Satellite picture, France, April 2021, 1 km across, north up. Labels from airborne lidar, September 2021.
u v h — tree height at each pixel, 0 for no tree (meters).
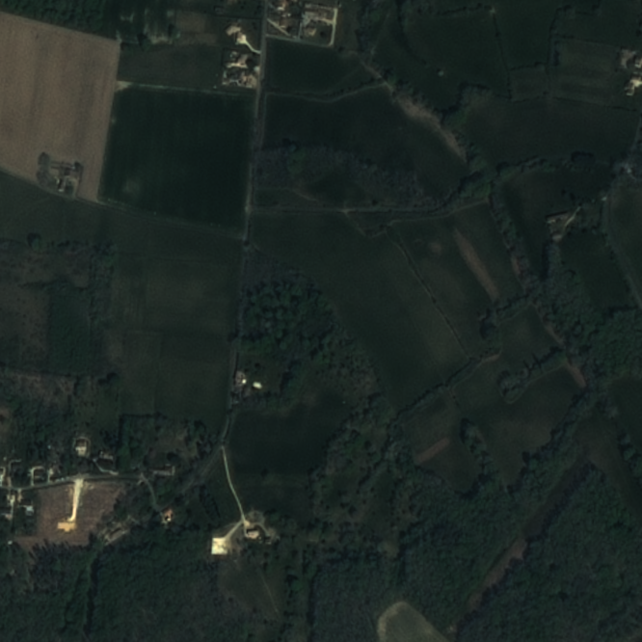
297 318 23
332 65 0
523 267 19
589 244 0
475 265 0
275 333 25
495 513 19
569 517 24
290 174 20
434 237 0
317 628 24
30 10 15
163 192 0
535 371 10
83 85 0
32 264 0
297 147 14
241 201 0
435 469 0
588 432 0
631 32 0
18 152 0
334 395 0
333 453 13
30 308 0
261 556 0
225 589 0
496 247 0
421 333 0
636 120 0
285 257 0
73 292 6
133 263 0
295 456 0
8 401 17
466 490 0
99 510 0
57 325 7
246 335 12
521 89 0
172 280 0
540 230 0
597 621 25
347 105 0
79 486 0
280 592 0
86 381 14
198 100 0
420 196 13
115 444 8
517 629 24
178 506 13
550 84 0
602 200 6
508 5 0
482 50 0
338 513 0
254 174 10
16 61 0
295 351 11
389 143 0
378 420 20
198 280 0
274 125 0
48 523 0
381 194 14
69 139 0
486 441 0
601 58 0
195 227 0
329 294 0
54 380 12
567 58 0
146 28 0
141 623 15
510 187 0
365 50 16
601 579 21
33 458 12
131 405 0
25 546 0
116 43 0
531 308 0
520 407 0
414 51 0
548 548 24
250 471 0
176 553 25
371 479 13
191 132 0
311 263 0
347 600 21
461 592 20
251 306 10
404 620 0
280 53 0
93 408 6
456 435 0
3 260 0
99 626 20
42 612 21
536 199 0
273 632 0
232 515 0
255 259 9
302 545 0
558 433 11
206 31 0
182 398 0
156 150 0
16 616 21
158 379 0
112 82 0
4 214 0
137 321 0
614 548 23
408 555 24
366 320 0
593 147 0
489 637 22
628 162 20
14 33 0
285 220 0
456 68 0
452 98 0
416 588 25
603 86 0
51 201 0
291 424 0
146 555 21
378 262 0
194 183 0
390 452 18
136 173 0
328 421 0
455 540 22
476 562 20
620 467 0
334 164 20
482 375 0
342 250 0
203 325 0
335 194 0
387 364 0
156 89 0
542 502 19
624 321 19
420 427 0
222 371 0
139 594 17
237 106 0
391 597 23
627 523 23
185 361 0
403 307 0
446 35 0
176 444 0
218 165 0
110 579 21
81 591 25
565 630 21
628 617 22
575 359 22
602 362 23
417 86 0
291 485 0
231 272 0
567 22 0
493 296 0
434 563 21
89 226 0
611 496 29
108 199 0
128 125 0
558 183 0
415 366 0
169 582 22
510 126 0
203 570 11
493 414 0
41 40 0
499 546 24
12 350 0
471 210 0
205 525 0
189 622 16
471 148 15
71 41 0
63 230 0
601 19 0
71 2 21
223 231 0
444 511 20
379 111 0
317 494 16
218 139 0
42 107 0
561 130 0
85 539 0
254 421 0
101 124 0
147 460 7
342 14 0
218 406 0
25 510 0
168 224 0
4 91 0
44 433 13
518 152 0
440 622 23
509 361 0
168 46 0
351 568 24
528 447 0
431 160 0
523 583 23
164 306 0
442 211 11
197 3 0
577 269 0
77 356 8
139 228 0
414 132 0
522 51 0
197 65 0
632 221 0
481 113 0
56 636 22
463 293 0
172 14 0
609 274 0
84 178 0
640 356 20
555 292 24
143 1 0
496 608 26
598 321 16
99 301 8
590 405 23
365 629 21
